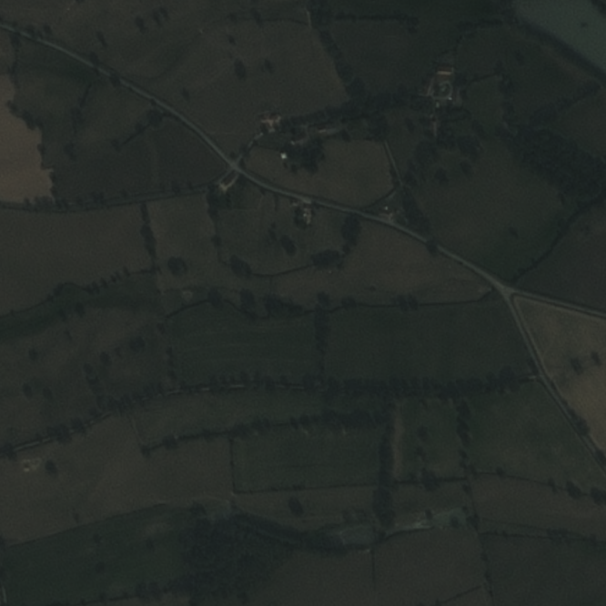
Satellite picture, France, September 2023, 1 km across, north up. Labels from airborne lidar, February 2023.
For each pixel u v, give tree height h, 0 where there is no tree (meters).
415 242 0
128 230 0
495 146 0
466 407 15
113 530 0
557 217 0
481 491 0
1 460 0
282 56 0
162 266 0
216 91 0
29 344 0
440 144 14
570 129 0
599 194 7
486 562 11
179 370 0
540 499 0
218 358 0
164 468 0
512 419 0
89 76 0
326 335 14
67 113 0
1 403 0
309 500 0
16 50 9
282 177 0
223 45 0
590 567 0
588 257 0
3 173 0
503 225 0
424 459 19
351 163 0
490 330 0
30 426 0
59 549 0
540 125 13
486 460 0
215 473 0
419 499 0
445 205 0
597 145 0
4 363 0
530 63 0
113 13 0
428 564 0
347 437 0
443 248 0
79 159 0
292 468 0
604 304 0
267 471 0
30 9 0
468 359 0
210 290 0
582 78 0
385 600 0
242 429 16
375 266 0
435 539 0
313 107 0
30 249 0
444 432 0
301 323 0
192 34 0
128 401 15
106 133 0
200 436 6
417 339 0
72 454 0
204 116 0
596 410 0
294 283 0
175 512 0
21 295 0
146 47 0
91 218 0
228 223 0
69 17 0
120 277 11
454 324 0
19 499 0
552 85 0
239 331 0
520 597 0
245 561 28
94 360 0
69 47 0
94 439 0
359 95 23
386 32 0
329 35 12
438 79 0
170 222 0
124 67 0
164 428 0
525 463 0
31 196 0
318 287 0
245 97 0
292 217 0
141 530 0
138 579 0
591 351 0
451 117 0
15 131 0
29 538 0
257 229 0
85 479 0
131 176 0
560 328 0
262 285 0
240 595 15
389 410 19
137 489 0
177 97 0
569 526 0
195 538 22
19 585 0
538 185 0
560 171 9
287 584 0
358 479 0
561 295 0
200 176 0
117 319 0
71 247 0
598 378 0
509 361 0
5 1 0
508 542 0
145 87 0
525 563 0
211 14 0
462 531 0
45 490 0
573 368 17
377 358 0
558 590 0
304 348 0
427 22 0
